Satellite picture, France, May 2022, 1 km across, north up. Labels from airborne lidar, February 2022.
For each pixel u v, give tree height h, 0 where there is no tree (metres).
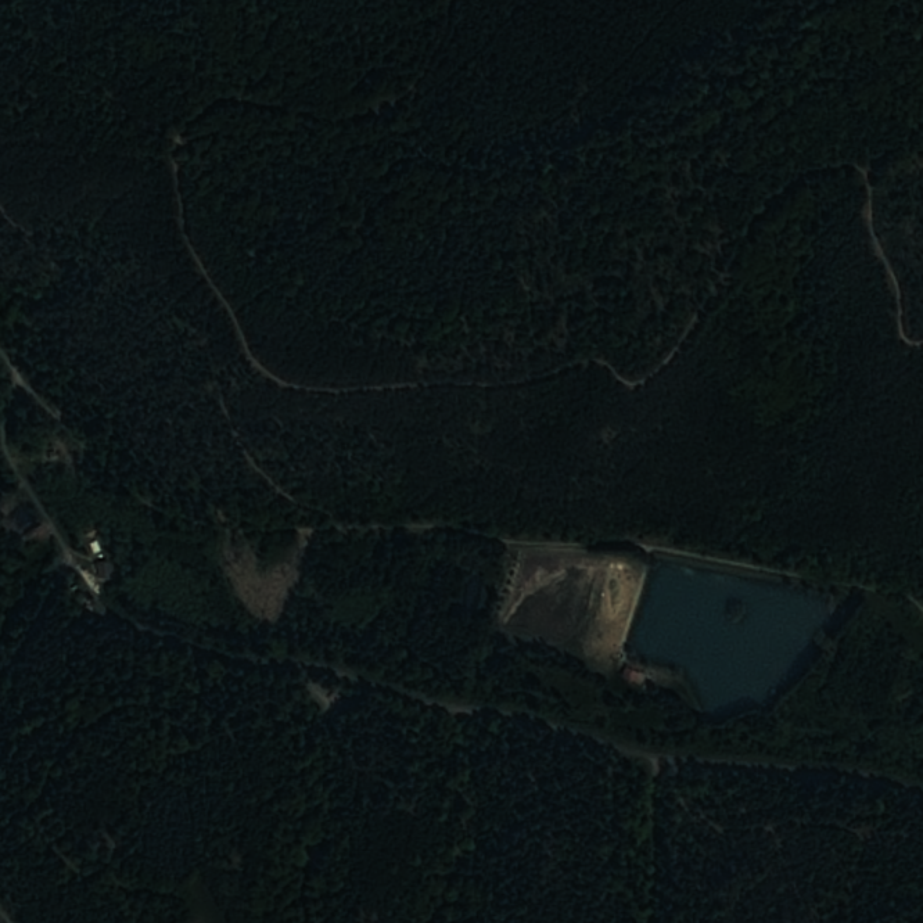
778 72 17
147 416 29
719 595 0
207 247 15
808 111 20
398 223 26
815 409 17
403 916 17
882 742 14
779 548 8
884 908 11
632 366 7
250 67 19
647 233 10
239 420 12
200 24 12
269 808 19
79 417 31
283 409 10
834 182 19
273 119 17
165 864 23
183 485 28
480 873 13
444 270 28
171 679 25
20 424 25
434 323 25
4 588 24
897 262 9
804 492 9
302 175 20
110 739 15
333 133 18
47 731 24
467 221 24
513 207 28
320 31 20
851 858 13
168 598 24
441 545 20
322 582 18
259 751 17
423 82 10
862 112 22
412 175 25
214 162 19
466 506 12
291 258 26
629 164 19
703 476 11
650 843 16
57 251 27
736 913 8
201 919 0
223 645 10
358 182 18
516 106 14
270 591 0
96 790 16
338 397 6
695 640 0
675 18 14
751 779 23
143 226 11
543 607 0
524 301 22
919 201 13
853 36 17
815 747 17
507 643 24
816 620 0
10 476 22
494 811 11
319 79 18
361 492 10
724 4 9
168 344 26
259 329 12
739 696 0
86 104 14
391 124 24
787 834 8
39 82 13
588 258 15
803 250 19
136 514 17
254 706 27
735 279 11
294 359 14
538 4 16
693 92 24
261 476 8
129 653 29
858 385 13
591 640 0
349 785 15
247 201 24
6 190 8
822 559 21
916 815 16
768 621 0
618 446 8
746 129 25
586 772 30
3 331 22
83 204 13
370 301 21
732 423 13
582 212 24
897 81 21
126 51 14
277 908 18
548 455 14
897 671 18
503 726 19
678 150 21
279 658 0
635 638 0
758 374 17
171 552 10
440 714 20
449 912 22
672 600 0
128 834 14
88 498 18
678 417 11
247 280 15
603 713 0
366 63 23
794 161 23
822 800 32
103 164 8
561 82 14
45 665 29
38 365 32
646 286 8
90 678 24
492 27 11
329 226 27
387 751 7
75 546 14
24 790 22
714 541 11
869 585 16
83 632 35
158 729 30
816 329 21
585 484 7
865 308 11
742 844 11
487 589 0
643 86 15
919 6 22
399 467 29
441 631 17
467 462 10
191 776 19
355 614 20
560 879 23
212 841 18
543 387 10
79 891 19
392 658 30
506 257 24
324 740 29
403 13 11
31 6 10
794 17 12
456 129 11
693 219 17
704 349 11
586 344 13
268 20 21
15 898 11
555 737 19
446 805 16
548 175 23
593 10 16
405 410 10
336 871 21
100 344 32
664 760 0
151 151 14
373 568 10
